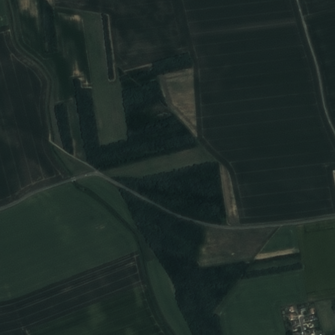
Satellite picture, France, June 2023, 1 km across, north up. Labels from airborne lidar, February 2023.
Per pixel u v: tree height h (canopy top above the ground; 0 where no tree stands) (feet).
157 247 58
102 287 0
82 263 0
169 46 0
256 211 0
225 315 0
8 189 0
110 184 0
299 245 0
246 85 0
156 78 0
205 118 0
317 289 0
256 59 0
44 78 0
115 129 0
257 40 0
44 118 0
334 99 0
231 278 37
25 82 0
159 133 55
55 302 0
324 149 0
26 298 0
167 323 0
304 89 0
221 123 0
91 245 0
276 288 0
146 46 0
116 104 0
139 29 0
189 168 51
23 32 0
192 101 0
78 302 0
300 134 0
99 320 0
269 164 0
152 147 53
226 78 0
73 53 0
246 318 0
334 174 0
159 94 48
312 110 0
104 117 0
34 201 0
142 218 25
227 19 0
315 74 0
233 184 0
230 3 0
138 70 0
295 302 0
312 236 0
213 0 0
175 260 37
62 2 0
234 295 0
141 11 0
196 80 0
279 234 0
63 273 0
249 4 0
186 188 46
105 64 0
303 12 0
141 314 0
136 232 0
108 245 0
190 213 42
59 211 0
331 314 0
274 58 0
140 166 0
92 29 0
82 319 0
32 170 0
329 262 0
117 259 0
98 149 38
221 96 0
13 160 0
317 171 0
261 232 0
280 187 0
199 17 0
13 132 0
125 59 0
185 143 49
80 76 0
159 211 46
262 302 0
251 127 0
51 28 17
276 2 0
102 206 0
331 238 0
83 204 0
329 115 0
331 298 0
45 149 0
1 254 0
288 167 0
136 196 55
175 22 0
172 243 57
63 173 0
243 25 0
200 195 21
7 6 0
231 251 0
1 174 0
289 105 0
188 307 46
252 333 0
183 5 0
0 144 0
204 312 48
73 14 0
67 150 38
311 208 0
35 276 0
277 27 0
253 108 0
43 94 0
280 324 0
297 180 0
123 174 0
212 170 27
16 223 0
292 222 0
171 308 0
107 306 0
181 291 40
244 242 0
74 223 0
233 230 0
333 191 0
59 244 0
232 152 0
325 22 0
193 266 26
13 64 0
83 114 44
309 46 0
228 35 0
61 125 40
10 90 0
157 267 0
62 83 0
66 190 0
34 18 0
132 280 0
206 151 0
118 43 0
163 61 38
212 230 0
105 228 0
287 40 0
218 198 27
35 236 0
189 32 0
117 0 0
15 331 0
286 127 0
